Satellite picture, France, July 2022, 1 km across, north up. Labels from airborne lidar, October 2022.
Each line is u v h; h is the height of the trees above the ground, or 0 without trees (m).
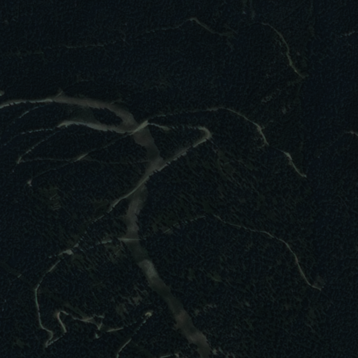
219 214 22
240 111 9
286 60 17
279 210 26
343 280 17
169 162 0
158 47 21
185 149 0
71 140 8
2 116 24
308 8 18
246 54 20
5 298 9
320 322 18
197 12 9
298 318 18
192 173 20
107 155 17
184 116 19
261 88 7
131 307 18
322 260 22
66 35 13
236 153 24
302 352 16
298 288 17
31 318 19
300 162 14
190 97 22
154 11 15
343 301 6
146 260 0
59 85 11
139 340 23
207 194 27
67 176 27
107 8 24
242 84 21
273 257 18
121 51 6
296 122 13
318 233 23
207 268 21
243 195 24
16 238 17
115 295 10
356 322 16
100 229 26
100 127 0
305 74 6
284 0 8
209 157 25
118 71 27
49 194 0
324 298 26
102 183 29
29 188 26
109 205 7
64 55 11
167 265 16
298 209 9
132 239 0
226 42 21
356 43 21
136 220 0
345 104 13
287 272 22
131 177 22
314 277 23
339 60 9
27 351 21
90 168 7
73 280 24
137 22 27
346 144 13
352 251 26
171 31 14
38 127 21
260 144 14
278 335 19
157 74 23
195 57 18
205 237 27
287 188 7
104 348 14
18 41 14
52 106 12
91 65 10
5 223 21
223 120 16
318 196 9
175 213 24
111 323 19
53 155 26
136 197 0
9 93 19
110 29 22
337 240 24
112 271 22
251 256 23
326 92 13
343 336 20
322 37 18
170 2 27
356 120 15
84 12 13
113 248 0
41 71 10
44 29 14
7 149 23
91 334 8
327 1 26
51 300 7
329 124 32
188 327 0
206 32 15
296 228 6
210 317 13
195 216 25
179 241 22
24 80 17
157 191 23
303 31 24
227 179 0
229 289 16
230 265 18
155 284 0
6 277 21
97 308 15
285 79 13
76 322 18
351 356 20
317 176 20
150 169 0
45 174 11
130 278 21
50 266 19
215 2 21
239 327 19
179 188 26
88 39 19
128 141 8
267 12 9
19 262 20
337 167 24
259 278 19
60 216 26
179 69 26
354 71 20
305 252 9
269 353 12
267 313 6
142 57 18
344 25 28
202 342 0
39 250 27
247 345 14
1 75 15
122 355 17
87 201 26
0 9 26
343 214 26
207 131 0
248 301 25
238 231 23
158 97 6
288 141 8
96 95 11
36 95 16
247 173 19
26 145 11
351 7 21
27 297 16
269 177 26
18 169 20
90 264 15
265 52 16
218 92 8
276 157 19
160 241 18
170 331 17
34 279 26
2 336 22
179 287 22
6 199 17
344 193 18
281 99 16
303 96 9
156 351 17
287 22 22
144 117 14
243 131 22
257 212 6
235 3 12
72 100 0
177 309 0
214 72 25
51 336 0
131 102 16
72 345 17
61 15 30
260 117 9
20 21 16
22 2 23
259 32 13
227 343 24
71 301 19
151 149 0
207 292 20
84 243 19
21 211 23
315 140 13
